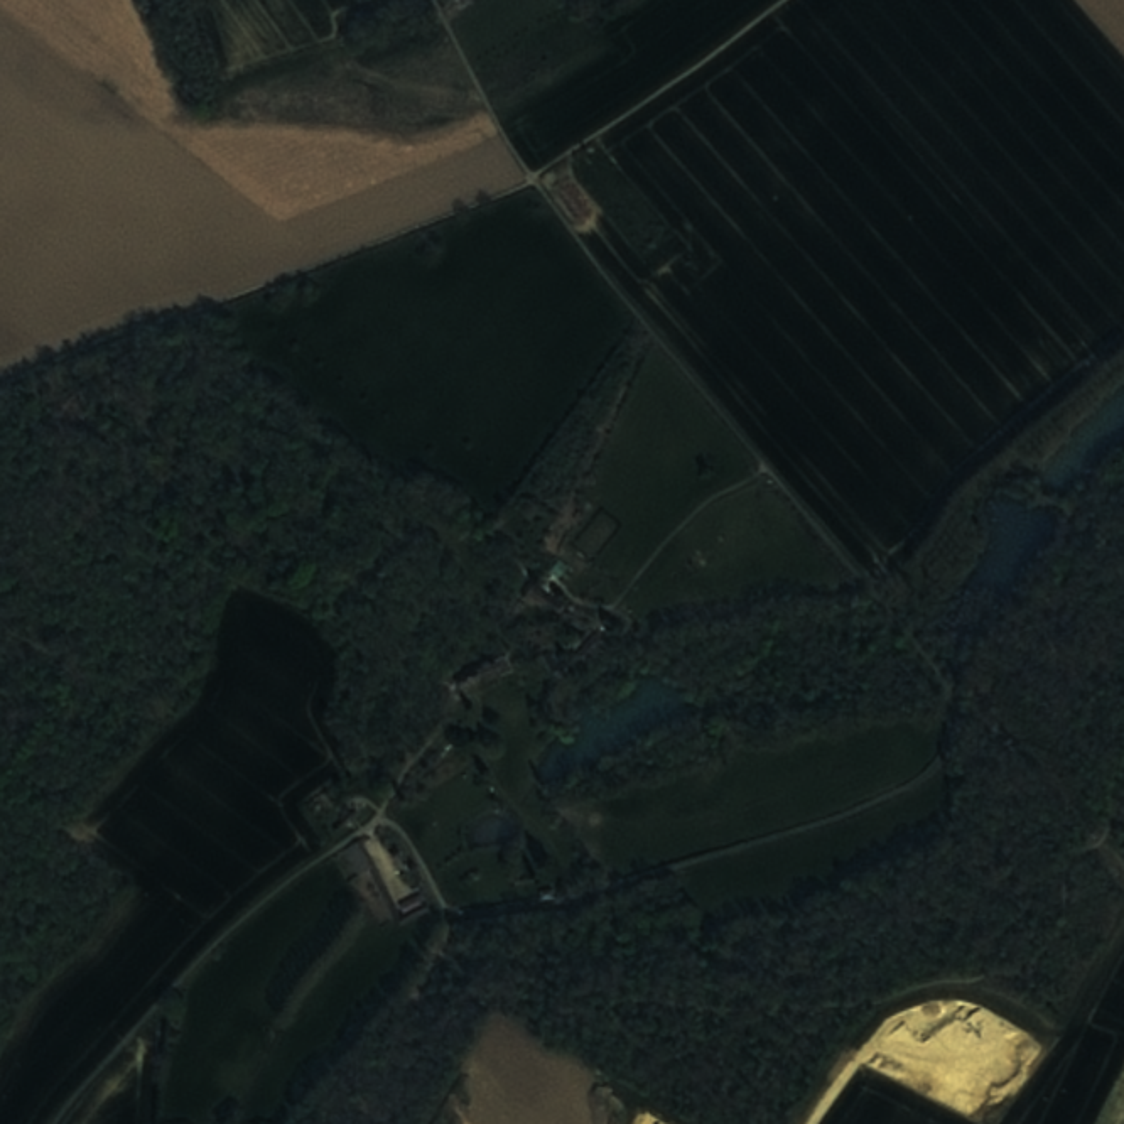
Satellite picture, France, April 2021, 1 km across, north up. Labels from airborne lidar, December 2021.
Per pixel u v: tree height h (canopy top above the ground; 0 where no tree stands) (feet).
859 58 0
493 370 0
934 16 0
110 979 0
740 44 0
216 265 0
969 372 0
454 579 103
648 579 0
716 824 0
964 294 0
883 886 82
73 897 79
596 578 0
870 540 0
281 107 0
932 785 0
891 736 0
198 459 97
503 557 80
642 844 0
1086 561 79
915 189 0
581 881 69
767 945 85
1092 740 66
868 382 0
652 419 0
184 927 0
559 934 87
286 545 69
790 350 0
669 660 38
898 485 0
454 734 43
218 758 0
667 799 0
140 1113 0
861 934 70
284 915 0
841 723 97
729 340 0
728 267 0
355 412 0
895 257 0
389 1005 57
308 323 0
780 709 82
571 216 0
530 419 0
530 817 0
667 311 0
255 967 0
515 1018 57
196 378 99
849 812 0
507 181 0
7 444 59
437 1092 57
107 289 0
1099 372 87
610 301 0
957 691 73
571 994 73
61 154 0
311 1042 0
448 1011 109
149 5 60
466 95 0
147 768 0
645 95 0
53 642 70
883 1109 0
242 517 89
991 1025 0
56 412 67
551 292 0
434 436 0
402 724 79
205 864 0
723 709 37
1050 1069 0
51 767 65
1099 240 0
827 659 24
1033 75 0
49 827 64
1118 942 0
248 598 0
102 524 88
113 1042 0
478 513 60
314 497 93
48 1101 0
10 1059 0
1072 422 87
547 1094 0
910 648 66
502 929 82
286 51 0
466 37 0
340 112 0
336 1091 88
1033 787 84
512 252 0
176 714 52
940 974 23
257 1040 0
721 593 0
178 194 0
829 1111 0
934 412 0
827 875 0
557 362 0
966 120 0
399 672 87
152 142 0
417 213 0
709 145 0
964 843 89
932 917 58
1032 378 0
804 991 68
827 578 0
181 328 67
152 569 53
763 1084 63
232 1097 0
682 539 0
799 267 0
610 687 70
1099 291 0
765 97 0
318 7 0
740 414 0
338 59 0
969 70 0
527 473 23
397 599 84
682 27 0
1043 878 33
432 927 48
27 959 78
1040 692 79
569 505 0
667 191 0
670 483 0
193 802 0
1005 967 61
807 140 0
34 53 0
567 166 0
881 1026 0
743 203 0
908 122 0
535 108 0
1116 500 66
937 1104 0
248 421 102
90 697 76
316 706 0
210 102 69
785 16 0
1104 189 0
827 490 0
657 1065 61
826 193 0
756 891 0
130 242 0
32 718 61
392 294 0
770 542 0
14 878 66
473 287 0
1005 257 0
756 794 0
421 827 0
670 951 49
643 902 48
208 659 64
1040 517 0
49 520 80
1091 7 0
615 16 29
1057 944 48
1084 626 73
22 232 0
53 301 0
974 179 0
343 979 0
